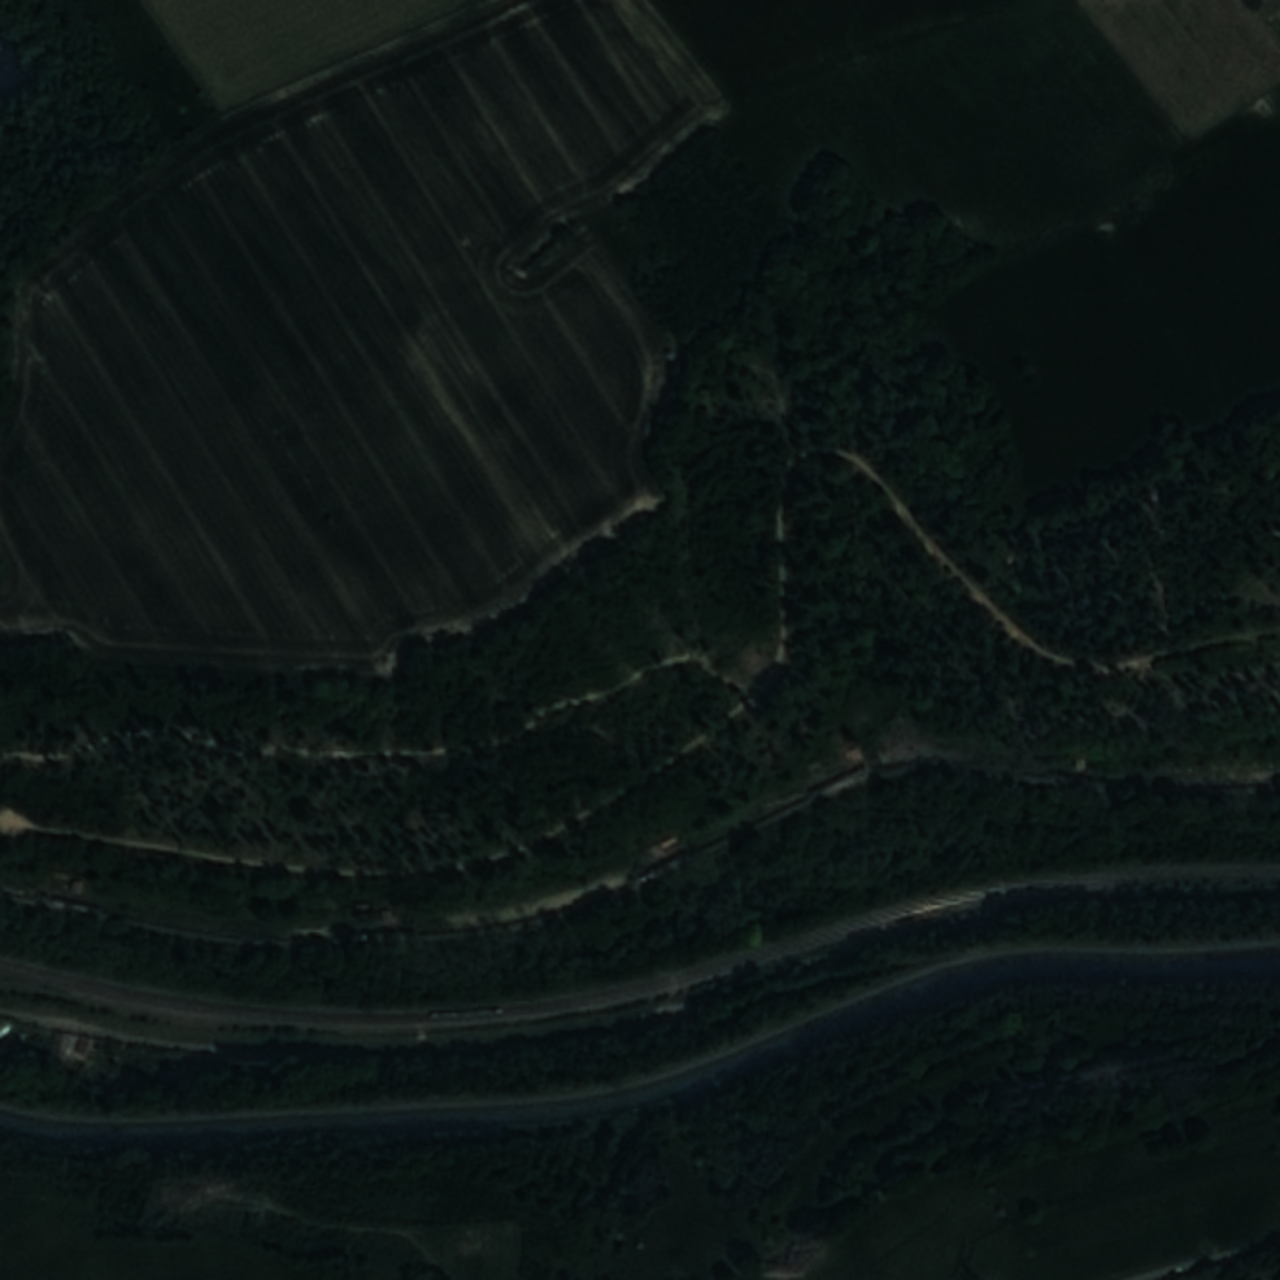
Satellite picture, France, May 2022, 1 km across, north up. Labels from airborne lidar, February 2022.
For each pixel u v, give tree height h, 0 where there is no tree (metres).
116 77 17
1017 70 0
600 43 0
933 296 21
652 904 25
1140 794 29
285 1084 27
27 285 0
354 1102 16
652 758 10
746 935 21
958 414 26
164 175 0
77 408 0
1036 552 35
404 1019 0
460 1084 18
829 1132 0
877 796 20
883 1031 21
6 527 0
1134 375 0
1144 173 0
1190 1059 25
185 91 0
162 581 0
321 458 0
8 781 13
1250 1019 21
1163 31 0
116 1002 0
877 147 0
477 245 0
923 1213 0
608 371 0
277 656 0
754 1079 19
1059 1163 0
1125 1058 23
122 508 0
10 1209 0
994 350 0
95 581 0
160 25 0
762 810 0
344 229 0
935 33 0
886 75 0
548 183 0
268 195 0
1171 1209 0
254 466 0
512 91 0
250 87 0
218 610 0
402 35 0
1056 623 20
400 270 0
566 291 0
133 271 0
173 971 23
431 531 0
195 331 0
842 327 30
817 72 0
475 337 0
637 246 0
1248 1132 0
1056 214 0
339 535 0
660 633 0
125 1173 19
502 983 19
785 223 9
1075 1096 22
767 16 0
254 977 24
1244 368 0
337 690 21
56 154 32
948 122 0
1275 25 0
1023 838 22
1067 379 0
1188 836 20
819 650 27
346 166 0
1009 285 0
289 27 0
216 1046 0
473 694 7
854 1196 8
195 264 0
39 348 0
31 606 0
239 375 0
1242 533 8
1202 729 15
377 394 0
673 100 0
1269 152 0
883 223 24
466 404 0
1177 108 0
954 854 18
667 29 0
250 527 0
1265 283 0
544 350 0
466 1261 0
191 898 19
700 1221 0
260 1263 0
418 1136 14
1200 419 0
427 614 0
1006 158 0
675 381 22
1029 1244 0
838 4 0
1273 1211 0
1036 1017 23
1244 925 13
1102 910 19
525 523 0
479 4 0
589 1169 20
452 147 0
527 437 0
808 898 11
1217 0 0
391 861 10
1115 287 0
